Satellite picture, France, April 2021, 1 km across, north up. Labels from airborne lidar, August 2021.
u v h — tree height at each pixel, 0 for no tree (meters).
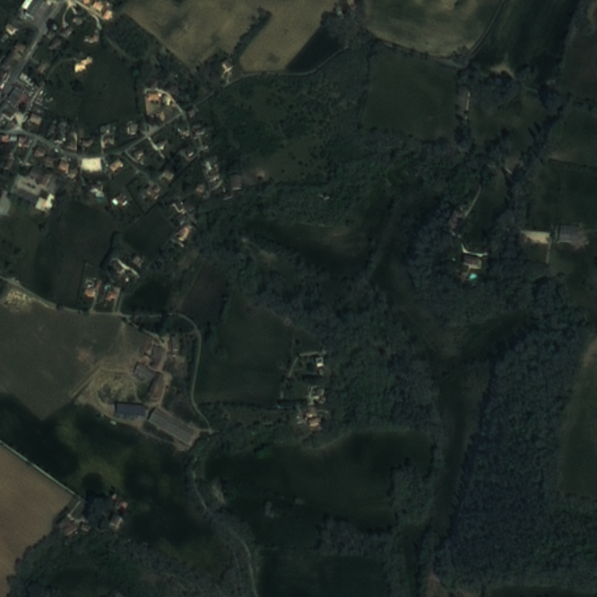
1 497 0
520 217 25
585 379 0
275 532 0
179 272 12
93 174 0
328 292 0
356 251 0
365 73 7
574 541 12
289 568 0
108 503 20
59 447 0
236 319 0
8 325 0
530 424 19
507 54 0
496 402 27
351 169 18
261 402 0
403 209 0
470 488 25
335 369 23
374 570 0
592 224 0
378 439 0
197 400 0
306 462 0
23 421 0
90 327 0
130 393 0
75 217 0
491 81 10
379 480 0
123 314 0
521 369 23
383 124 0
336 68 8
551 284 32
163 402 0
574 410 0
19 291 0
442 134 0
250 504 0
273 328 0
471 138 24
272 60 0
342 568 0
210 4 0
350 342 19
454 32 0
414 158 24
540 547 24
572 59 0
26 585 25
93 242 0
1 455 0
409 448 0
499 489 10
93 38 0
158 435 0
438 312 25
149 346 0
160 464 0
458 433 0
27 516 0
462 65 19
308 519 0
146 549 9
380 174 16
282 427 16
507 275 19
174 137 8
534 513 20
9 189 0
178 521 0
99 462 0
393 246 0
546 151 19
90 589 0
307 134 8
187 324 0
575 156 0
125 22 14
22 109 12
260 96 0
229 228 17
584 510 21
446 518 0
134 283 12
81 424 0
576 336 24
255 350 0
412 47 0
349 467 0
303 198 17
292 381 8
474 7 0
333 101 9
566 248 0
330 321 20
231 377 0
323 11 0
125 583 9
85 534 7
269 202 16
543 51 0
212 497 25
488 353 0
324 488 0
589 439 0
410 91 0
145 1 0
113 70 0
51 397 0
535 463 28
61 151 0
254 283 25
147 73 22
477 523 29
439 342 0
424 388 20
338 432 20
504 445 26
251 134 5
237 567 17
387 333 17
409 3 0
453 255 13
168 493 0
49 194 0
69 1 0
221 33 0
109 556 8
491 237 20
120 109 0
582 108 13
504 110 9
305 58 0
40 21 0
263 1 0
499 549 24
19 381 0
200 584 15
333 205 14
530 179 20
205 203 9
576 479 0
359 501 0
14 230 0
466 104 0
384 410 11
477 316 21
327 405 18
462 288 16
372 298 28
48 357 0
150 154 11
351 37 15
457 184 16
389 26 0
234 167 7
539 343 27
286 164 0
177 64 11
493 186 20
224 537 15
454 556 27
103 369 0
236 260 27
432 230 22
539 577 21
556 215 0
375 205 0
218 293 0
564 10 0
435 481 9
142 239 0
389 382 18
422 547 19
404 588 24
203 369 0
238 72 0
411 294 0
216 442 17
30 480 0
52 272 0
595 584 27
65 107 0
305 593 0
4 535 0
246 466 0
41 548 13
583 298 0
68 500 0
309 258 0
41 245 0
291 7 0
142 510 0
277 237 0
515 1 0
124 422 0
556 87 16
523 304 25
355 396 11
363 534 19
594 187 0
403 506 19
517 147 0
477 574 23
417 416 14
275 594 0
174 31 0
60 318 0
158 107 0
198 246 13
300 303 23
